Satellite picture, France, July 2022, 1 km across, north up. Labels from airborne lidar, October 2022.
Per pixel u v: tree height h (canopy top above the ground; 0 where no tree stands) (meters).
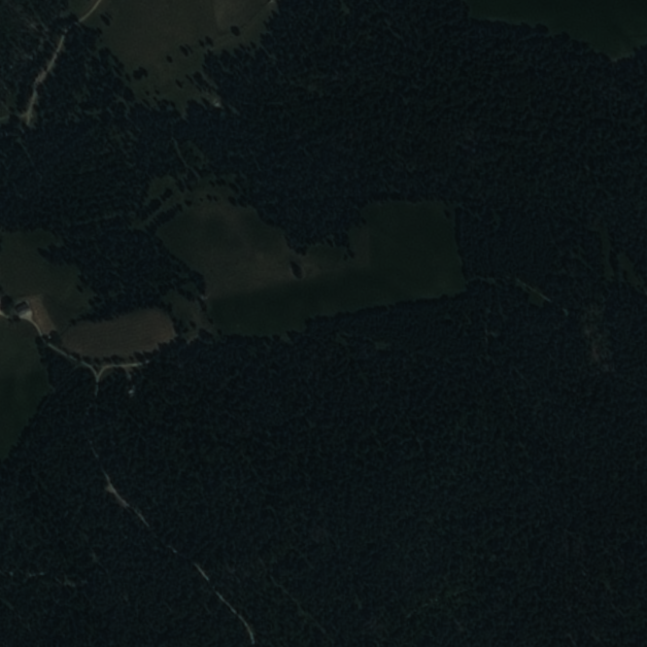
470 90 16
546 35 6
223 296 0
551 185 16
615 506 22
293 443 20
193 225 0
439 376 8
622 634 20
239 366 25
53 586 8
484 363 13
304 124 6
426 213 0
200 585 17
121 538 22
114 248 10
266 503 13
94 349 0
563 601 27
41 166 22
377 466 19
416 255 0
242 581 30
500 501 23
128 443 24
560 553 22
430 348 23
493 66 22
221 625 22
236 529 25
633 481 23
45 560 24
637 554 20
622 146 17
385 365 15
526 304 19
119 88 14
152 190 0
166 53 0
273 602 10
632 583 22
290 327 0
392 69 13
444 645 23
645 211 26
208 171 7
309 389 21
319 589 27
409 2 17
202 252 0
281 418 16
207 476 24
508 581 27
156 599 25
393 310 10
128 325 0
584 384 21
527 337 20
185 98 0
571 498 25
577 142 29
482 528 17
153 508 28
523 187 19
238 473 27
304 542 15
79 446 20
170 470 28
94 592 23
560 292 21
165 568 17
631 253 8
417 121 17
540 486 24
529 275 16
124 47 0
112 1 0
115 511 24
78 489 10
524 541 27
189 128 25
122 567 28
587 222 17
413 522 20
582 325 17
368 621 29
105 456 25
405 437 15
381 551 15
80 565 8
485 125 19
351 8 22
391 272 0
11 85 9
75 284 0
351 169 26
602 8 0
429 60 14
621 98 14
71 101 20
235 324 0
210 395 9
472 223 15
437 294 0
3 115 0
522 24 0
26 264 0
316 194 25
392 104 15
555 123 17
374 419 17
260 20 0
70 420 13
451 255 0
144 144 26
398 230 0
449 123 17
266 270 0
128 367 0
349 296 0
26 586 14
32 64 23
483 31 25
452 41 18
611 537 16
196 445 29
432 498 25
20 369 0
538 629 29
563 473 20
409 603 22
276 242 0
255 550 17
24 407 0
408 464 24
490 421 20
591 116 14
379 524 18
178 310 0
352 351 18
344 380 25
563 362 17
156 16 0
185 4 0
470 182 11
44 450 23
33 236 0
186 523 13
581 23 0
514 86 18
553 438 20
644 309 28
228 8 0
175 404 8
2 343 0
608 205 27
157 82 0
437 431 24
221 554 21
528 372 23
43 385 0
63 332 0
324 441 7
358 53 16
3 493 23
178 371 12
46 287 0
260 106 8
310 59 15
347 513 24
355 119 16
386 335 20
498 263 16
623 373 22
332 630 27
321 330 21
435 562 22
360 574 21
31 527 15
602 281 9
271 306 0
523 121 17
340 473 21
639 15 0
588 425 23
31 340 0
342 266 0
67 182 9
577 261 11
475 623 13
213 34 0
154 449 26
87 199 7
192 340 0
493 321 18
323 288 0
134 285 23
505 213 18
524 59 27
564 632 9
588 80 17
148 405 25
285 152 11
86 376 8
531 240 17
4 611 21
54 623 17
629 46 0
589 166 31
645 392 25
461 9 10
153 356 7
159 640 25
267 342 19
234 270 0
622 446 22
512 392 13
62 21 21
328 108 6
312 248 0
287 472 16
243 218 0
